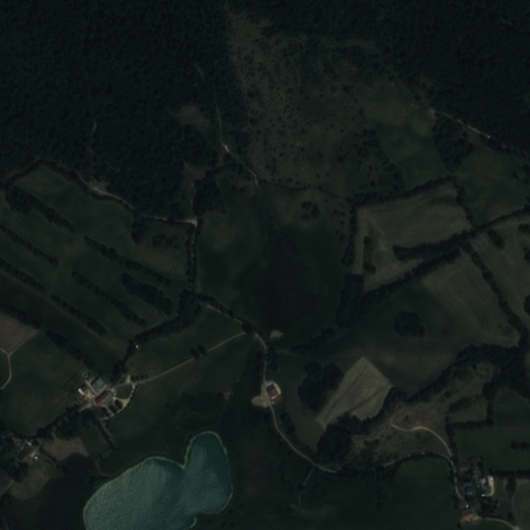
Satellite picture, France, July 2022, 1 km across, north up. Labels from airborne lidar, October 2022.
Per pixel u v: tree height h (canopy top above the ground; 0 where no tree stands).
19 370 0
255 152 0
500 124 21
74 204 0
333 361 0
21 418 0
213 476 0
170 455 0
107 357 0
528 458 0
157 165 5
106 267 0
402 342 0
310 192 0
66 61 12
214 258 0
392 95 0
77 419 21
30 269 0
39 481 0
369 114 0
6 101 17
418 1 19
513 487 19
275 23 7
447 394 8
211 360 0
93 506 0
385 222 0
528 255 10
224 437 0
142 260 0
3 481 0
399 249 16
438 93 18
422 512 0
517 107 33
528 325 0
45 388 0
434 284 0
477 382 0
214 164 16
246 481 0
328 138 0
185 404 0
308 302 0
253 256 0
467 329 0
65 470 16
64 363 0
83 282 15
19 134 17
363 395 0
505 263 0
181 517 0
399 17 8
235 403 0
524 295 0
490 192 0
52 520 0
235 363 0
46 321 0
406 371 0
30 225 0
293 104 0
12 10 19
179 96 6
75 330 0
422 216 0
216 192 22
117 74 7
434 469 0
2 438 14
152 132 9
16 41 14
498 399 0
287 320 0
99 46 18
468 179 0
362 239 0
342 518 0
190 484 0
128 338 0
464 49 10
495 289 16
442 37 30
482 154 0
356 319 6
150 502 0
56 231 0
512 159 0
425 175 0
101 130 9
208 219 0
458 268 0
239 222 0
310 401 12
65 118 18
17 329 0
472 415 0
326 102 0
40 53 13
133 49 21
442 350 0
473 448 0
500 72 30
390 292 17
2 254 0
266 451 0
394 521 0
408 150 0
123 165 7
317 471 12
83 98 21
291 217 0
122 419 0
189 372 0
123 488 0
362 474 19
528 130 22
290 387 0
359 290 22
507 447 0
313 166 0
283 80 0
